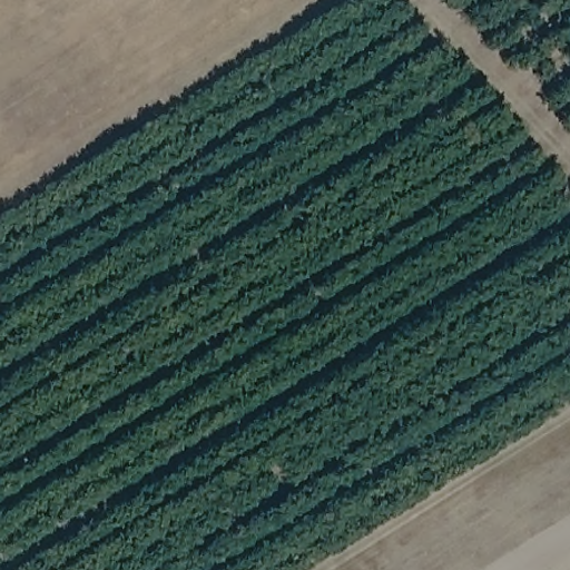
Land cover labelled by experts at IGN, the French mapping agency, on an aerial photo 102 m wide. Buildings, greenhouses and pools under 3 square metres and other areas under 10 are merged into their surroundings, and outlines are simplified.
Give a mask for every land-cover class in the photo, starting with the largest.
<instances>
[{"label":"deciduous trees","instance_id":"1","mask_svg":"<svg viewBox=\"0 0 570 570\"><path fill-rule=\"evenodd\" d=\"M570 405V174L563 171L554 156H546L543 147L530 136L528 127L523 125V118L510 109V105L503 100V94L488 82L483 71L470 65L463 49L452 47L441 31L434 36L430 33V24L423 20L419 9H414L410 0H345L327 13L312 20L301 31H296L289 40L247 60L240 69L220 78L212 89L191 96L189 102L176 107L174 114H163L160 118L147 122L143 131H136L118 140L114 147L98 154L94 160L69 171L60 183L49 185L45 194L33 196L31 200H24L20 207L9 209L0 216V570H312L325 557L343 552L350 543L370 534L374 528L383 525L392 517L414 508L432 490H441L448 479H454L463 474L468 468L488 461L508 443L530 434L548 416L557 414V410ZM452 9H459L470 20V24L476 27L485 47L497 49L503 62H508L510 67L532 69L537 73L541 82V100L548 102L550 111H554L563 129L570 131V0H445Z\"/></svg>","mask_w":570,"mask_h":570},{"label":"agricultural land","instance_id":"2","mask_svg":"<svg viewBox=\"0 0 570 570\"><path fill-rule=\"evenodd\" d=\"M345 0H0V216L9 209L20 207L24 200H31L33 196L45 194L49 185L60 183L69 171L94 160L98 154L114 147L118 140L136 131H143L147 122L160 118L163 114H174L176 107L189 102L191 96L212 89L220 78L240 69L247 60L289 40L296 31H301L312 20L327 13ZM414 9H419L423 20L430 24V33L434 36L441 31L452 47L463 49L470 65L483 71L488 82L503 94V100L510 105V109L523 118V125L528 127L530 136L543 147L546 156H554L563 171L570 174V131L563 129L554 111H550L548 102L541 100V82L537 73L532 69L510 67L508 62H503L497 49L485 47L476 27L470 24V20L459 9H452L445 0H410ZM312 570H570V405L557 410V414L548 416L530 434L508 443L488 461L468 468L463 474L454 479H448L441 490H432L414 508L392 517L383 525L374 528L370 534L350 543L343 552L325 557Z\"/></svg>","mask_w":570,"mask_h":570}]
</instances>
